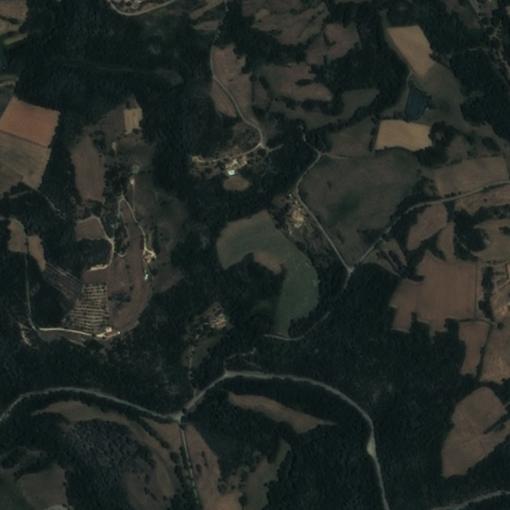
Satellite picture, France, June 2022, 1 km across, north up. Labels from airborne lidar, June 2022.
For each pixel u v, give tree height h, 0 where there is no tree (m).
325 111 7
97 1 11
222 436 10
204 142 8
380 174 0
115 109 7
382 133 0
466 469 0
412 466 12
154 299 11
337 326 14
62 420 19
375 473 12
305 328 8
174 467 0
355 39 0
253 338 8
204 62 8
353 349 9
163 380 8
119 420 0
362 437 16
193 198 9
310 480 16
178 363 7
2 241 7
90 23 9
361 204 0
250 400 0
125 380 11
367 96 0
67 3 13
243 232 0
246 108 0
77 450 16
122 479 13
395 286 11
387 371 11
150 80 5
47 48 21
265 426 21
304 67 0
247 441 11
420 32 0
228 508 0
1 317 14
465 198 0
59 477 0
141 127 7
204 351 0
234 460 7
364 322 13
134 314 0
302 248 14
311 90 0
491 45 11
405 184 0
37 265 8
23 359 12
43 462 17
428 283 0
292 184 12
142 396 15
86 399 19
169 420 15
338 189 0
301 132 14
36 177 0
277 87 0
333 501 21
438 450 12
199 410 6
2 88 0
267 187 13
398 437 16
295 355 10
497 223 0
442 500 11
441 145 8
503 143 0
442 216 0
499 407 0
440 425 11
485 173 0
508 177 0
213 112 6
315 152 11
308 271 0
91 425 19
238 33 14
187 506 12
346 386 8
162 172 7
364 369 10
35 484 0
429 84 0
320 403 15
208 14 6
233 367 8
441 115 0
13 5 0
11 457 10
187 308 7
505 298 0
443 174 0
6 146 0
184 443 0
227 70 0
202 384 20
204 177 9
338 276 16
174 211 0
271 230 0
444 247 0
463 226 5
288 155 14
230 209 12
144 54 10
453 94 0
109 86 16
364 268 10
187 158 7
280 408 0
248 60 13
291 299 0
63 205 10
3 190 0
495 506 13
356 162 0
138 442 9
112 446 14
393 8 11
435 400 12
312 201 0
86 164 0
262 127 0
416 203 9
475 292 0
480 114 10
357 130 0
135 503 0
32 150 0
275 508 21
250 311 7
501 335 0
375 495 14
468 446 0
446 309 0
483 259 0
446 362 12
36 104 14
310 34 0
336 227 0
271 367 10
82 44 6
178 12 0
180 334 14
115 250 7
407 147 0
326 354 10
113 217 7
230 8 16
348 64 13
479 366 8
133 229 0
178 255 7
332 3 16
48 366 10
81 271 11
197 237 7
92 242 7
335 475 21
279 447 10
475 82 17
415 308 0
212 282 17
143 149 0
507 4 14
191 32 8
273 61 12
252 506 0
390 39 0
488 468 17
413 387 12
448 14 10
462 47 16
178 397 8
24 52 18
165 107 8
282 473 21
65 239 14
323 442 18
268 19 0
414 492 12
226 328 8
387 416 16
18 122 0
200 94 0
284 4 0
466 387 12
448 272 0
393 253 9
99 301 0
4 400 12
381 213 0
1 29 0
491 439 0
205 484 0
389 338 7
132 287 6
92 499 16
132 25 8
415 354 15
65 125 9
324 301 14
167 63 9
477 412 0
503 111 11
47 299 12
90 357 12
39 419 18
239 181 0
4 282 8
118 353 11
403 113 10
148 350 12
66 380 11
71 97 12
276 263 0
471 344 0
